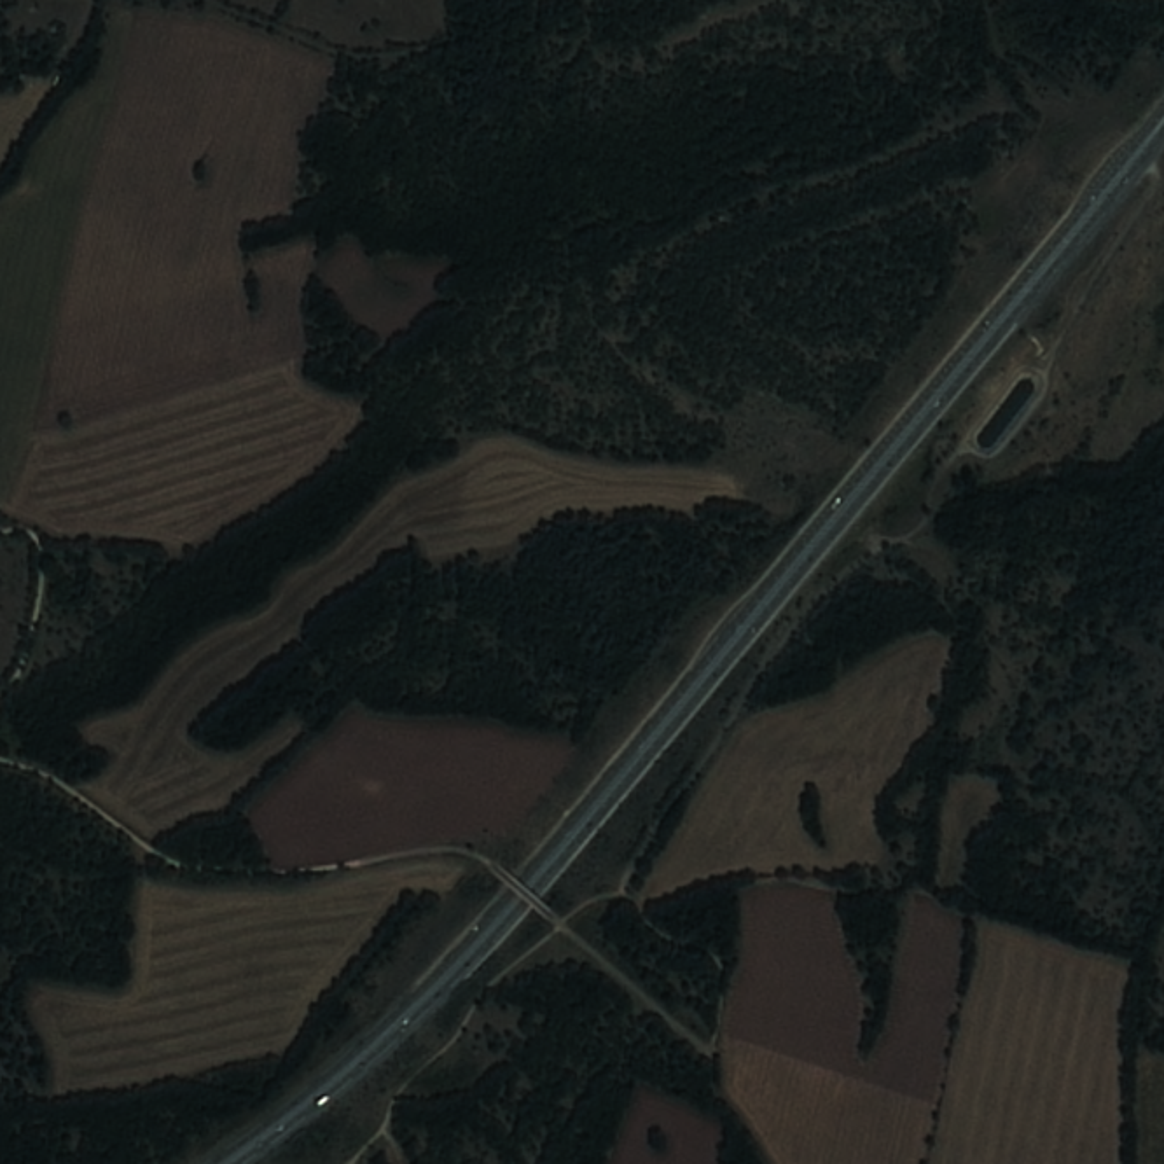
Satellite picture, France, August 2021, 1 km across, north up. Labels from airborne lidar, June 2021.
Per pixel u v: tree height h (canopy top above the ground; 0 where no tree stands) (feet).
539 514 0
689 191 32
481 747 0
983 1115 0
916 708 0
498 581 29
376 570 25
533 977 29
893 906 40
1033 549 25
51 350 0
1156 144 0
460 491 0
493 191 20
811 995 0
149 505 0
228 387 0
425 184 22
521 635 27
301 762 0
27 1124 33
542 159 36
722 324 19
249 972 0
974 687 34
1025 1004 0
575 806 0
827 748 0
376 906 0
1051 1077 0
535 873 0
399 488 0
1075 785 20
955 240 24
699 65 32
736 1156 37
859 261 25
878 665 0
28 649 24
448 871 0
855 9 20
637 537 27
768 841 0
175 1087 32
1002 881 41
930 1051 0
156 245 0
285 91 0
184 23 0
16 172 35
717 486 0
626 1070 32
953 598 29
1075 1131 0
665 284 28
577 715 19
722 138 37
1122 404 0
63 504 0
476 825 0
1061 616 27
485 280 23
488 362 21
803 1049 0
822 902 0
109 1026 0
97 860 26
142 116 0
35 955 22
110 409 0
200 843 18
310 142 30
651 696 0
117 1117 27
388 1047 0
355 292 0
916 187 23
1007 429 0
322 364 34
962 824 0
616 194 37
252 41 0
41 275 0
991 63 35
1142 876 20
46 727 27
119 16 0
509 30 35
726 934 40
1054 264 0
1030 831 33
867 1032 43
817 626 27
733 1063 0
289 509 31
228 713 32
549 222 31
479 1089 33
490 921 0
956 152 21
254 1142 0
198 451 0
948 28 46
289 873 22
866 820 0
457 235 43
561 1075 28
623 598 20
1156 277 0
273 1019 0
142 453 0
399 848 0
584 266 24
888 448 0
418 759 0
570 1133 32
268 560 30
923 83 21
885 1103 0
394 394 22
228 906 0
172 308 0
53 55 28
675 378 28
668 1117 0
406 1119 22
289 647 27
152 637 37
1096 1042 0
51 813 24
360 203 30
